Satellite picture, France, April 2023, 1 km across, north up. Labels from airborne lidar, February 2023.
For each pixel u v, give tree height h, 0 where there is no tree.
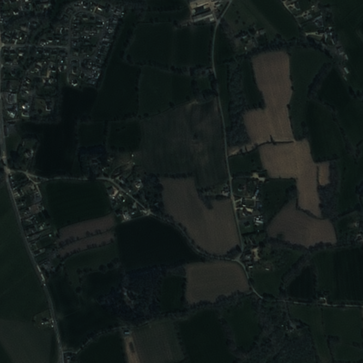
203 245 0
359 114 0
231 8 0
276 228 0
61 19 7
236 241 0
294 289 0
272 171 0
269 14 0
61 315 0
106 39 0
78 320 0
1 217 0
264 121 0
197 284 0
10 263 0
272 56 0
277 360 11
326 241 0
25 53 14
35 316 0
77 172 0
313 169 0
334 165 12
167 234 0
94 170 17
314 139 0
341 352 0
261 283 0
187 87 0
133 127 0
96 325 0
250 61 11
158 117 0
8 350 0
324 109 0
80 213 0
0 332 0
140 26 0
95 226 0
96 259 0
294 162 0
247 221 0
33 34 12
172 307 0
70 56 0
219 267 0
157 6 0
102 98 0
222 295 0
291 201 9
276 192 0
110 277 0
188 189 0
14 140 0
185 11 0
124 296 14
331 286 0
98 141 0
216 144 0
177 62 0
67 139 0
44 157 0
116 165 0
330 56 23
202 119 0
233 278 0
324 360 0
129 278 20
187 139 0
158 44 0
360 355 0
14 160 17
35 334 0
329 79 0
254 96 0
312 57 0
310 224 0
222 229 0
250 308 0
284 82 0
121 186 9
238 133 19
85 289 0
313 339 9
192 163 0
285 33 0
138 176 7
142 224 0
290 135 0
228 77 6
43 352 0
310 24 0
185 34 0
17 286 0
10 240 0
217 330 0
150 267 0
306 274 0
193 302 0
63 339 0
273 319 13
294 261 0
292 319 11
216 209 0
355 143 0
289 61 0
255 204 0
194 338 0
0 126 0
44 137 0
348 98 0
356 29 0
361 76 0
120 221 0
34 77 0
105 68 8
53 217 0
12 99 0
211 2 0
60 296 0
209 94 19
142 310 11
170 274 14
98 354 0
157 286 21
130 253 0
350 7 0
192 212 0
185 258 0
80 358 0
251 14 0
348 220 0
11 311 0
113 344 0
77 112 0
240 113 17
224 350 0
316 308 12
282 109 0
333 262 0
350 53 0
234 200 0
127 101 0
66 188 0
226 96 0
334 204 22
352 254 0
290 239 0
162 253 0
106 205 0
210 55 9
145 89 0
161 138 0
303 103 0
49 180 11
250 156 0
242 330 0
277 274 0
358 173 0
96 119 0
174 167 0
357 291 0
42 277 0
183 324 0
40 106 0
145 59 0
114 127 0
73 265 0
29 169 14
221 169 0
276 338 11
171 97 0
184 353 6
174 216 0
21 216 0
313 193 0
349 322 0
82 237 0
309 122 0
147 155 0
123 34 0
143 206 5
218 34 0
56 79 16
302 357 12
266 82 0
